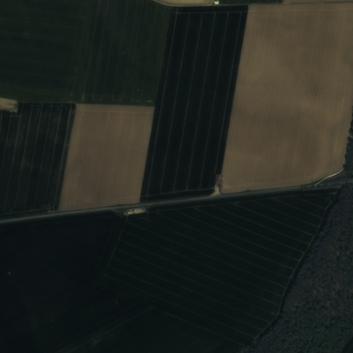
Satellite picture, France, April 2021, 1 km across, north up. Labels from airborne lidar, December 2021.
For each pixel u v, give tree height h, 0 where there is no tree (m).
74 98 0
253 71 0
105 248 0
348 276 20
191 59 0
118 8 0
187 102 0
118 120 0
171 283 0
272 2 0
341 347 15
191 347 0
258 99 0
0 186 0
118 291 0
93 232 0
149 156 0
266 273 0
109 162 0
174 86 0
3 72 0
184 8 0
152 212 0
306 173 0
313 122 0
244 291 0
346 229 16
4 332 0
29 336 0
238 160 0
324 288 20
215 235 0
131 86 0
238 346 0
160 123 0
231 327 0
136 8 0
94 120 0
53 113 0
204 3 0
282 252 0
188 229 0
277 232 0
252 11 0
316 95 0
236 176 0
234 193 0
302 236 0
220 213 0
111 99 0
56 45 0
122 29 0
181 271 0
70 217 0
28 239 0
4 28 0
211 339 0
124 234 0
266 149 0
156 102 0
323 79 0
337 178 0
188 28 0
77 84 0
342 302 21
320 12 0
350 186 20
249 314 0
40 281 0
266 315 0
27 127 0
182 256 0
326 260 18
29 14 0
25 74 0
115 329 0
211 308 0
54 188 0
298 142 0
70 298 0
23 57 0
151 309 0
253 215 0
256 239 0
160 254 0
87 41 0
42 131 0
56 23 0
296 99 0
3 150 0
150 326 0
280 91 0
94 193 0
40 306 0
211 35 0
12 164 0
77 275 0
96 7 0
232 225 0
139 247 0
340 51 0
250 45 0
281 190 0
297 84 0
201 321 0
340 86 0
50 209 0
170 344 0
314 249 9
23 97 0
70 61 0
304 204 0
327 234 17
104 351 0
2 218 0
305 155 0
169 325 0
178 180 0
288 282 0
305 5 0
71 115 0
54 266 0
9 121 0
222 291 0
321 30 0
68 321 0
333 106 0
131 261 0
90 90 0
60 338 0
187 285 0
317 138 0
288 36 0
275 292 0
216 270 0
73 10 0
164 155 0
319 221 0
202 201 0
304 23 0
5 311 0
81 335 0
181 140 0
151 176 0
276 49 0
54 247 0
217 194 0
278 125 0
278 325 17
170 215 0
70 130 0
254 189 0
